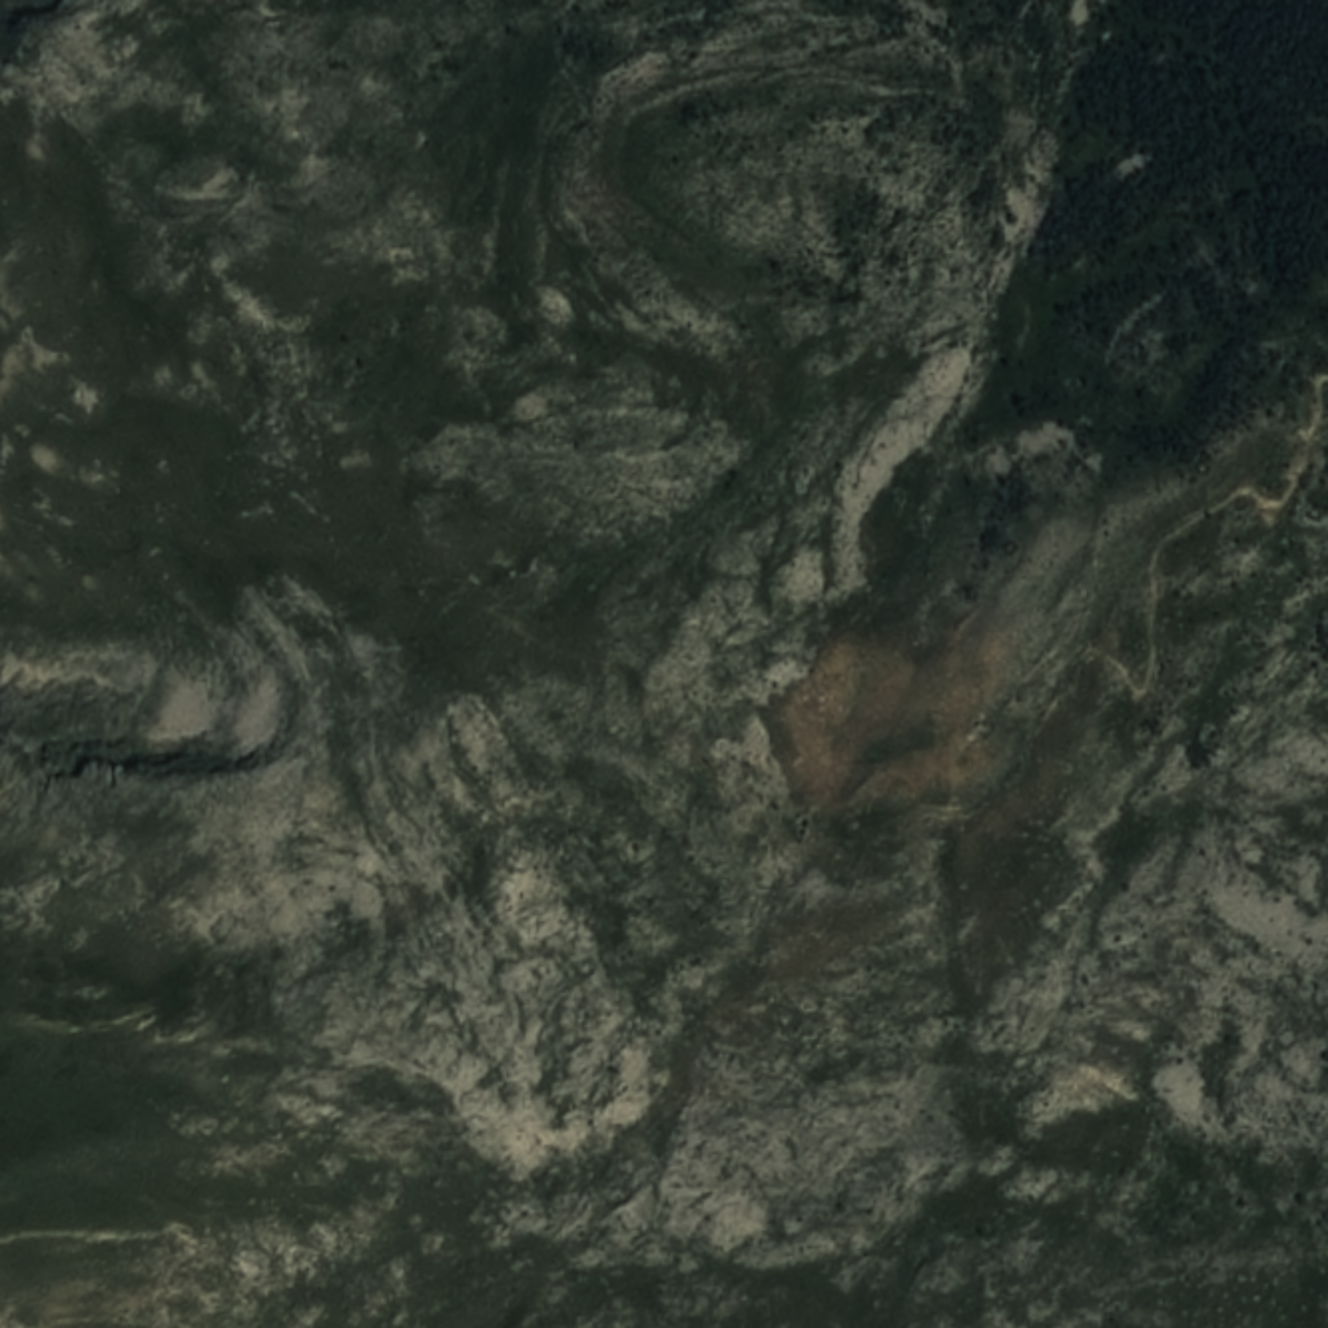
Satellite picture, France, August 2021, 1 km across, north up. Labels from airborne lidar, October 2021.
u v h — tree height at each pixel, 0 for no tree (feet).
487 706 0
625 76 0
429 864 0
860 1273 0
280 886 0
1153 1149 0
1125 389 0
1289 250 35
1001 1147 0
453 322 0
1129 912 0
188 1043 0
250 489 0
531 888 0
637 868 0
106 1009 0
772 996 0
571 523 0
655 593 0
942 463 0
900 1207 0
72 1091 0
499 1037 0
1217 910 0
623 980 0
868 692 0
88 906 0
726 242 0
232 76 0
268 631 0
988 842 0
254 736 0
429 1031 0
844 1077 0
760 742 0
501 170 0
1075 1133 0
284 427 0
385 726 0
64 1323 0
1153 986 0
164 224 0
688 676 0
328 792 0
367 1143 0
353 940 0
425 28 0
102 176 0
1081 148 0
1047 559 0
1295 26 28
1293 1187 0
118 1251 0
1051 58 46
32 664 0
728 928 0
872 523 0
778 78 0
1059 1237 0
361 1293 0
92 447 0
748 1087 0
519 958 0
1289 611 0
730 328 0
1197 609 0
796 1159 0
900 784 0
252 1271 0
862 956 0
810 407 0
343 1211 0
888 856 0
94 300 0
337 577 0
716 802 0
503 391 0
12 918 0
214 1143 0
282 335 0
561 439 0
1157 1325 0
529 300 0
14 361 0
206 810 0
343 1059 0
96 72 0
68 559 0
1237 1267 0
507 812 0
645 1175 0
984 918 0
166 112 0
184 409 0
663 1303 0
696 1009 0
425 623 0
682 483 0
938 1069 0
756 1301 0
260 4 0
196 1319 0
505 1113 0
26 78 0
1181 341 20
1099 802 0
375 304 0
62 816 0
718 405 0
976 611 0
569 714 0
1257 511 0
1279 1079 0
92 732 0
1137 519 0
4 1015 0
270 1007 0
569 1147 0
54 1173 0
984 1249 0
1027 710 0
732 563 0
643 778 0
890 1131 0
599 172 0
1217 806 0
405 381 0
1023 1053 0
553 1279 0
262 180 0
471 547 0
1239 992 0
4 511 0
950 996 0
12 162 0
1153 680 0
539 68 0
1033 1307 0
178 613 0
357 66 0
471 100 0
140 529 0
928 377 0
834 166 0
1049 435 0
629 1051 0
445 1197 0
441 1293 0
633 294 0
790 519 0
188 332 0
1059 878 0
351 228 0
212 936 0
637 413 0
